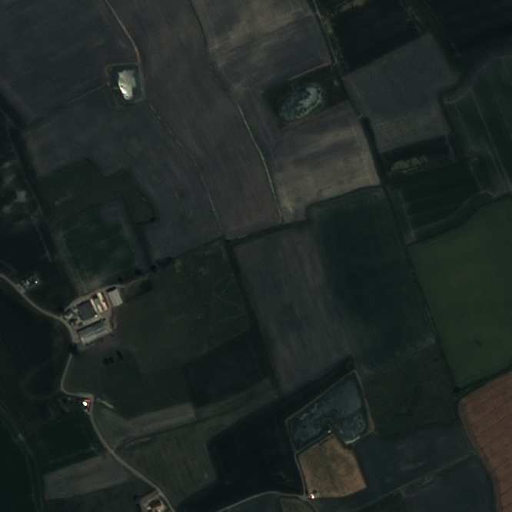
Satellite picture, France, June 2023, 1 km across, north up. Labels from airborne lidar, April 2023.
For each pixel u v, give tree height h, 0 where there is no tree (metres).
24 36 0
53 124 0
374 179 0
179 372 0
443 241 0
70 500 0
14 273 0
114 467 0
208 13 0
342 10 0
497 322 0
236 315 0
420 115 0
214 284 0
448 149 0
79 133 0
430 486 0
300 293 0
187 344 0
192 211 0
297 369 0
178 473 0
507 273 0
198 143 0
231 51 0
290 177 0
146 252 0
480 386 0
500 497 0
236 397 0
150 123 0
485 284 0
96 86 0
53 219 0
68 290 0
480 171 0
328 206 0
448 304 0
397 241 0
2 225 0
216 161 0
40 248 0
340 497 0
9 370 0
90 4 0
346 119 0
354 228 0
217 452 0
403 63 0
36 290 0
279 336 0
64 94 0
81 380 0
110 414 0
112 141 0
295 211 0
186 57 0
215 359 0
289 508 0
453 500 0
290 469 0
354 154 0
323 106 0
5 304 0
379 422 0
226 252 0
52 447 0
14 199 0
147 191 0
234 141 0
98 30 0
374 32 0
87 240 0
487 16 0
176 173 0
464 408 0
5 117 0
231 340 0
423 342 0
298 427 0
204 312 0
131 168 0
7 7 0
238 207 0
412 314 0
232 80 0
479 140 0
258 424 0
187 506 0
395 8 0
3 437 0
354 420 0
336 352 0
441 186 0
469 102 0
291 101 0
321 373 0
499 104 0
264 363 0
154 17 0
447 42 0
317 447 0
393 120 0
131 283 0
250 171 0
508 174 0
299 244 0
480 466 0
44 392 0
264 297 0
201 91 0
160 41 0
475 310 0
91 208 0
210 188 0
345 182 0
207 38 0
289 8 0
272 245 0
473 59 0
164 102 0
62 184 0
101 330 0
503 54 0
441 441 0
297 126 0
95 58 0
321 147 0
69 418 0
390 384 0
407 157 0
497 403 0
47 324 0
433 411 0
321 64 0
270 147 0
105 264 0
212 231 0
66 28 0
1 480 0
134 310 0
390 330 0
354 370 0
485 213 0
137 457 0
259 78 0
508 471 0
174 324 0
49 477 0
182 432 0
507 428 0
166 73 0
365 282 0
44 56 0
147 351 0
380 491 0
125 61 0
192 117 0
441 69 0
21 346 0
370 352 0
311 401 0
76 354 20
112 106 0
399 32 0
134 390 0
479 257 0
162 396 0
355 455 0
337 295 0
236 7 0
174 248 0
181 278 0
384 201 0
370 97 0
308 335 0
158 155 0
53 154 0
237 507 0
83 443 0
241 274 0
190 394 0
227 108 0
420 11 0
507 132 0
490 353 0
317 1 0
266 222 0
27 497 0
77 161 0
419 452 0
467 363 0
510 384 0
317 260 0
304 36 0
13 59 0
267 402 0
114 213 0
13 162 0
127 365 0
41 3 0
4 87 0
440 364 0
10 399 0
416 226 0
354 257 0
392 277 0
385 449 0
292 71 0
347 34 0
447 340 0
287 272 0
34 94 0
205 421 0
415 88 0
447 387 0
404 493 0
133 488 0
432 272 0
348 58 0
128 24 0
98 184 0
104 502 0
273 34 0
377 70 0
